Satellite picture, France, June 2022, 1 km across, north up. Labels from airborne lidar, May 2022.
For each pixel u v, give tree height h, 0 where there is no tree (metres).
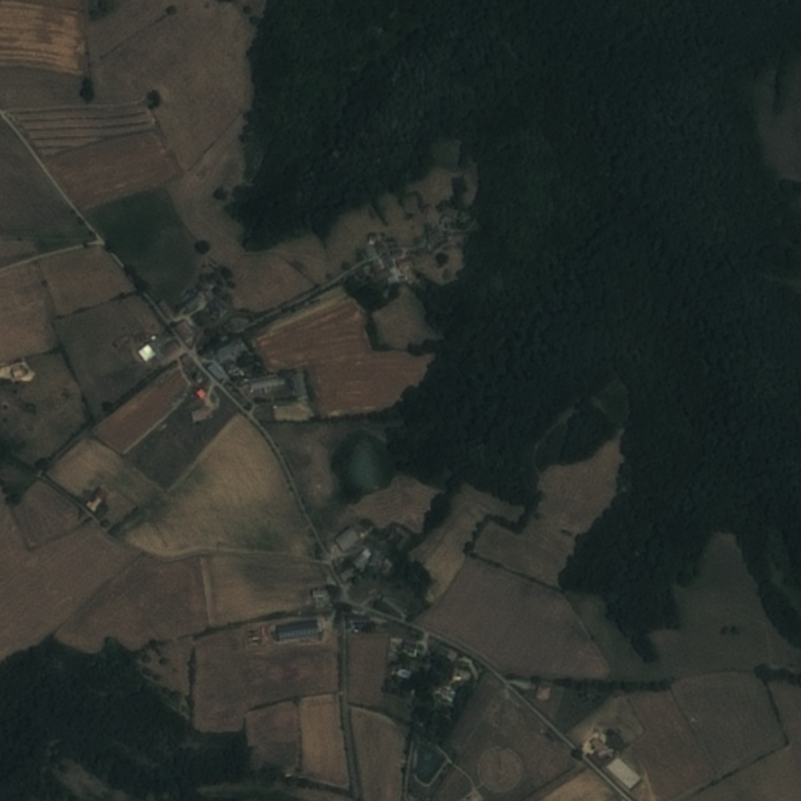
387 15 12
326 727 0
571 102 17
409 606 0
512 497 19
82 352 0
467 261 8
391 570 8
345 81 17
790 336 17
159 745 8
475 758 0
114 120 0
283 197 22
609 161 26
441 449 23
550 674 0
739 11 18
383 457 0
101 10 7
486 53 22
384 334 0
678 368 13
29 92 0
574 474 0
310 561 0
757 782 0
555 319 26
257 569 0
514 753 0
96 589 0
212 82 0
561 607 0
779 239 19
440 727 16
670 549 22
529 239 11
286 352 0
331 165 24
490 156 15
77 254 0
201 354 10
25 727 13
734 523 16
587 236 7
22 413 0
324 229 21
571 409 11
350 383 0
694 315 16
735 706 0
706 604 0
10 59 0
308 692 0
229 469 0
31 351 0
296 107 18
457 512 0
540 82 11
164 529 0
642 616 19
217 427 0
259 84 12
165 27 0
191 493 0
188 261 0
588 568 17
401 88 14
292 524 0
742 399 21
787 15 17
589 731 0
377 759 0
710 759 0
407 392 10
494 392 34
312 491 0
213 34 0
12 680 11
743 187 14
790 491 11
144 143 0
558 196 14
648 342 18
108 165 0
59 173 0
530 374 24
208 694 0
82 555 0
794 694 0
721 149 20
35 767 13
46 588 0
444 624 0
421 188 0
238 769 18
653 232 16
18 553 0
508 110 12
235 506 0
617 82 18
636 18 12
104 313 0
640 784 0
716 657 0
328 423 8
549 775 0
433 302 7
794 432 22
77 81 0
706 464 18
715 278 23
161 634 0
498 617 0
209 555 0
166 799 16
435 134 18
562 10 21
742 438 19
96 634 0
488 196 14
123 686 10
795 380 14
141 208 0
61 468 0
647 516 21
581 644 0
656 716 0
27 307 0
